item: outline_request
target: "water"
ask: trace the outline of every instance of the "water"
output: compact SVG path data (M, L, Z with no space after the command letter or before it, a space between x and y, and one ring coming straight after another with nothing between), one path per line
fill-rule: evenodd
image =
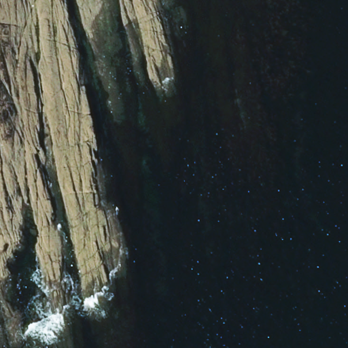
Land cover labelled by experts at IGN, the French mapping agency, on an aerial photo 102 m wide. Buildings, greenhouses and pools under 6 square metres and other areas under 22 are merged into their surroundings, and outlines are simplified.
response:
M86 87L92 130L97 140L95 158L102 159L105 174L105 201L118 207L118 224L124 235L124 247L128 254L122 256L121 269L114 276L113 285L107 288L107 291L113 292L113 299L107 300L103 296L97 299L90 296L84 299L82 309L75 309L73 306L69 307L64 315L49 314L48 318L39 319L34 304L30 302L38 290L37 284L33 281L33 273L38 264L35 254L38 230L34 223L33 209L29 205L23 205L20 241L12 257L5 264L8 276L0 281L0 348L348 348L348 0L156 0L156 14L162 24L164 39L169 45L174 67L174 80L169 82L169 90L163 91L154 87L148 76L139 22L126 15L128 24L122 24L120 0L102 0L101 11L91 24L94 37L88 38L83 29L76 0L65 0L79 63L79 79L76 80L76 84L79 87Z

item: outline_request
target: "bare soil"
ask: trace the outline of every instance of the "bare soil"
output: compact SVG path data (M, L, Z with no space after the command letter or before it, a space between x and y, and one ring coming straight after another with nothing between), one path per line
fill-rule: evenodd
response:
M122 24L128 24L126 15L139 22L148 76L154 87L163 91L169 90L169 82L174 80L174 67L169 45L164 39L162 24L156 14L156 0L120 0Z
M113 292L107 291L107 288L113 285L114 276L121 269L122 256L128 254L124 247L124 235L118 224L118 207L105 201L105 174L102 159L95 158L97 140L92 130L86 87L79 87L76 84L76 80L79 79L79 63L65 0L0 0L0 281L8 276L5 264L12 257L20 241L23 205L29 205L33 209L34 223L38 230L35 254L38 264L33 273L33 281L37 284L38 290L30 302L34 304L39 319L48 318L49 314L64 315L69 307L73 306L75 309L82 309L84 299L90 296L97 299L103 296L107 300L113 299Z
M101 11L102 0L76 0L83 29L88 38L94 37L91 24Z

